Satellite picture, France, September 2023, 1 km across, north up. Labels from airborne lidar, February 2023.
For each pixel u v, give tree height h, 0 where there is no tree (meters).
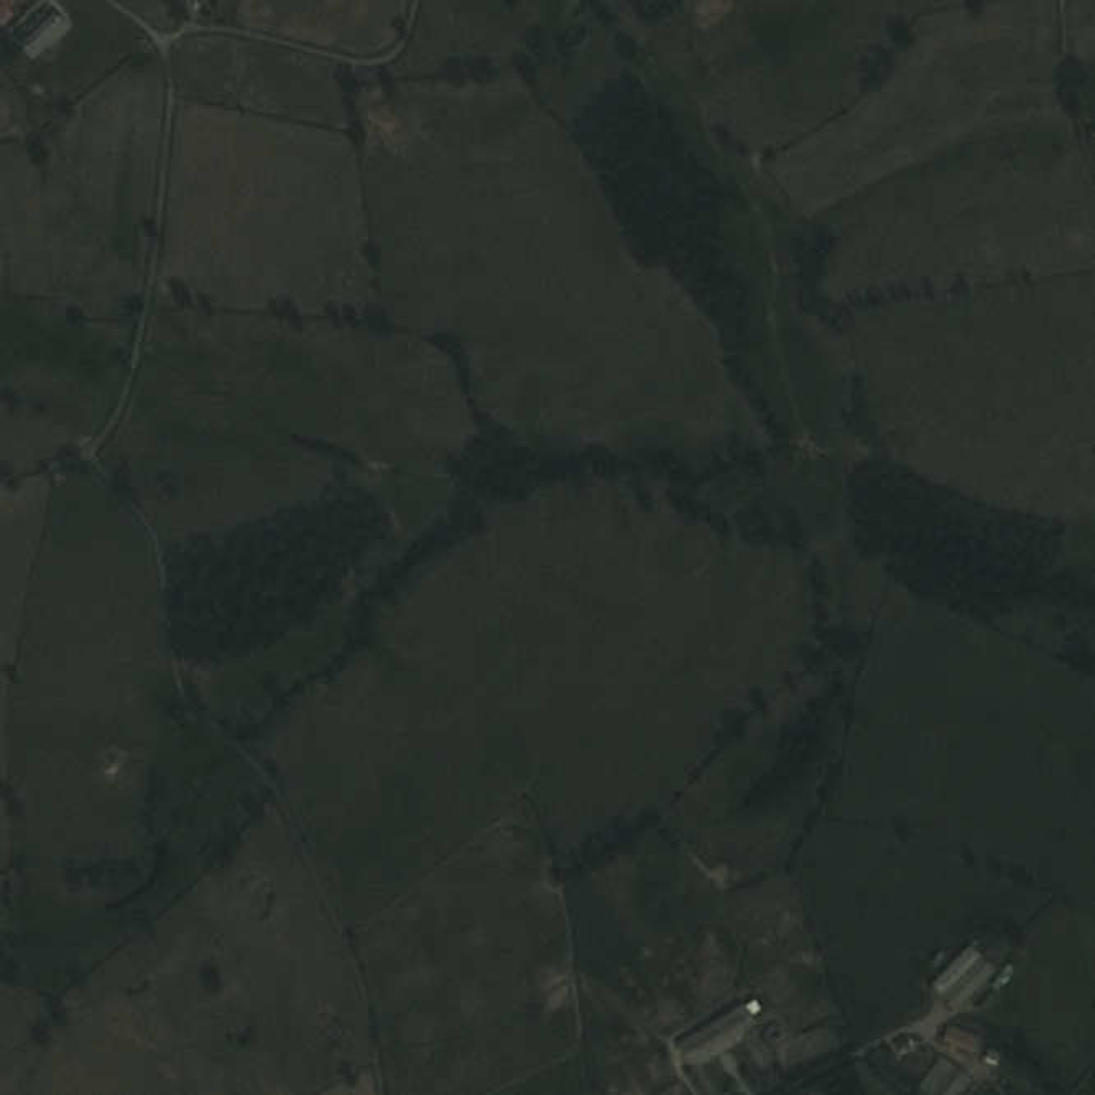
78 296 0
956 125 0
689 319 0
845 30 0
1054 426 0
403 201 0
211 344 0
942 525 15
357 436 0
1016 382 0
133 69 0
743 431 0
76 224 0
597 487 0
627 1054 0
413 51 0
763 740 0
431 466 0
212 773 0
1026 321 0
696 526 0
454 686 0
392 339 0
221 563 23
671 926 0
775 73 0
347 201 0
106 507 0
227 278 0
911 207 0
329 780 0
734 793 0
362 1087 0
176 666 0
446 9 0
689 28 0
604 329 0
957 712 0
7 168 0
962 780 0
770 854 0
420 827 0
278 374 0
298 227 0
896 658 0
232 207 0
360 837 0
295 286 0
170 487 14
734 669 0
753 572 0
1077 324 0
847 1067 14
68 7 0
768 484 0
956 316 0
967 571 20
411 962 0
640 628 0
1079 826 0
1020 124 0
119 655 0
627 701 0
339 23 0
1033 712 0
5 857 0
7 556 0
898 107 0
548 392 0
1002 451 0
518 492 13
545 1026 0
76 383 0
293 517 11
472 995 0
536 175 0
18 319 0
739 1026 0
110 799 0
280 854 0
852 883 0
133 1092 0
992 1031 0
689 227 22
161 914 0
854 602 0
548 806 0
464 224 0
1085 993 0
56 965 0
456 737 0
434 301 0
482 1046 0
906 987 0
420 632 0
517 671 0
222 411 0
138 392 0
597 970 0
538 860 0
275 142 0
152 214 0
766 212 0
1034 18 0
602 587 0
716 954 0
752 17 0
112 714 0
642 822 10
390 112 0
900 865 0
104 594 0
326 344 0
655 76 0
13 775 0
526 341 0
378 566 0
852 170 0
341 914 0
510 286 0
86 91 0
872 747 0
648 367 0
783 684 8
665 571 0
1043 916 0
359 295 0
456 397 0
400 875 0
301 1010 0
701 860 0
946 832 0
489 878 0
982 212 0
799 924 0
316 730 0
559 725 0
